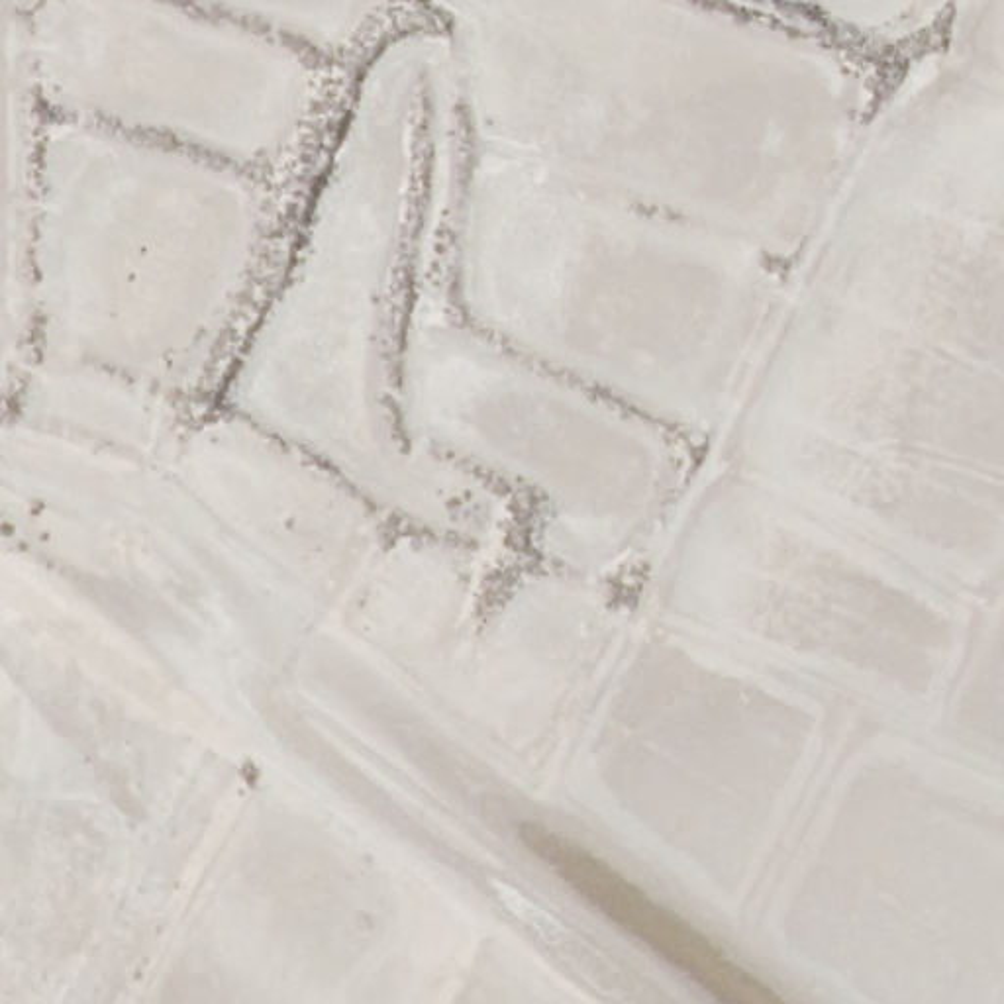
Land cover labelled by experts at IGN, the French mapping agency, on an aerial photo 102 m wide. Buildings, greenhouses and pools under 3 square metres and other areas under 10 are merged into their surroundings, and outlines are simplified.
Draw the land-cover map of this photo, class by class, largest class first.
<instances>
[{"label":"pervious surface","instance_id":"1","mask_svg":"<svg viewBox=\"0 0 1004 1004\"><path fill-rule=\"evenodd\" d=\"M455 16V35L404 39L388 47L373 75L365 67H353L349 75V94L361 98V110H345L333 122V137L345 141L337 153V173L322 192L314 235L302 251V267L294 271V286L271 310V322L255 341L251 361L243 365L231 388V404L259 412L286 435L310 439L322 455L341 463V471H349V478L361 482L373 498L392 502L400 514H412L416 522L435 529L447 526V498L471 490L475 478L431 459L435 439H447L451 447L475 455L478 463L502 475H522L526 482H533L545 494V506L557 514L545 522L541 533V577H522L514 600L498 608L486 624L475 616V600L482 592V577L498 565L506 549V498L494 502L475 553L435 545L416 549L408 537L396 541V549H384L380 529L369 522L361 502L345 498L326 471L306 467L302 455L290 451L278 455L267 439H259L235 420L204 424L208 392L220 384L227 361L243 341V329L255 318L251 306L235 302V294L243 286L263 188L231 173L196 165L180 153L141 149L133 141L106 137L94 126V110H110L133 126L176 129L180 137H196L235 157L267 149L275 180H286L302 176L298 145L306 133L298 129V118H310V102L322 98L326 78H341L345 71H310L286 47H267L259 35H247L239 27L196 24L184 12L157 0H0V408L8 392V365H16L20 377H31V392L24 400L20 420L0 424V1004H718L686 973L671 969L639 937L624 933L596 906H588L549 863L526 851L518 843L522 820H537L553 835L604 859L651 902L675 910L682 922H690L698 933L722 945L729 961L745 965L753 977L773 984L784 1004H1004V0H812L831 20L859 24L867 35H879L882 43L929 27L945 4H957L949 51L914 63L906 82L882 106V114L871 126H863V110L871 102L875 82L871 63H855L843 51H824L816 39H784L757 24H737L722 12H702L686 0H431ZM420 94L435 98V180L427 224L420 235V267H431L435 231L451 200L455 102H471L478 133V169L463 231V294L475 318L514 333L518 345H529L549 361L577 369L651 412L675 416L694 431L698 447L686 451L682 443H663V431L628 420L616 408L588 400L569 384L510 365L498 345L467 337L459 326L447 322V298L439 290L416 298L408 337V384L400 388L388 380L380 353L396 345V322L404 302L396 235L408 220V184L412 176H420V161L412 157ZM35 98L75 110L71 126H51L47 200H27L35 149L31 126L39 122ZM35 216H43V282H27L24 271L27 224ZM227 4L235 12H259L271 24L302 31L322 47H349L361 20L388 0H204Z\"/></svg>","mask_w":1004,"mask_h":1004},{"label":"brushwood","instance_id":"2","mask_svg":"<svg viewBox=\"0 0 1004 1004\"><path fill-rule=\"evenodd\" d=\"M184 12L196 24L239 27L247 35H259L267 47H286L310 71H345L341 78H326L322 98L310 102V118H298V129L306 133L298 145L302 176L286 180H275L267 149L235 157L196 137H180L176 129L133 126L110 110H94V126L106 137L133 141L141 149L180 153L196 165L231 173L263 188L243 286L235 294V302L251 306L255 318L243 329V341L227 361L220 384L208 392L204 424L235 420L259 439H267L278 455L290 451L302 455L306 467L326 471L345 498L361 502L369 522L380 529L384 549H396V541L408 537L416 549L435 545L475 553L494 502L506 498V549L498 565L482 577V592L475 600V616L486 624L498 608L514 600L522 577H541V533L545 522L557 514L545 506V494L533 482H526L522 475H502L478 463L475 455L451 447L447 439H435L431 459L475 478L471 490L447 498V526L435 529L416 522L412 514H400L392 502L373 498L361 482L349 478V471H341V463L322 455L310 439L286 435L259 412L231 404V388L243 365L251 361L255 341L271 322V310L294 286V271L302 267V251L314 235L322 192L337 173V153L345 141L333 137V122L345 110H361V98L349 94V75L353 67H365L373 75L388 47L404 39L455 35V16L431 0H388L361 20L349 47H322L302 31L271 24L259 12H235L227 4L204 0H157ZM702 12H722L737 24H757L784 39H816L824 51H843L855 63H871L875 82L871 102L863 110V126H871L882 114V106L906 82L914 63L949 51L957 4H945L929 27L882 43L879 35H867L859 24L831 20L812 0H686ZM435 98L420 94L412 157L420 161V176H412L408 184V220L396 235L404 302L396 322V345L380 353L388 380L400 388L408 384V337L416 298L439 290L447 298V322L459 326L467 337L498 345L510 365L569 384L588 400L616 408L628 420L663 431V443H682L686 451L698 447L694 431L675 416L651 412L577 369L549 361L529 345H518L514 333L475 318L463 294V231L478 169V133L471 102H455L451 200L435 231L431 267H420V235L427 224L435 180ZM39 122L31 126L35 149L27 200H47L51 126H71L75 110L35 98ZM43 216H35L27 224L24 271L27 282H43ZM31 392V377H20L16 365H8V392L0 408V424L20 420L24 400Z\"/></svg>","mask_w":1004,"mask_h":1004},{"label":"water","instance_id":"3","mask_svg":"<svg viewBox=\"0 0 1004 1004\"><path fill-rule=\"evenodd\" d=\"M518 843L526 851L549 863L588 906H596L624 933L639 937L671 969L686 973L718 1004H784L773 984L753 977L745 965L729 961L722 945L698 933L690 922H682L675 910L651 902L604 859L553 835L537 820H522Z\"/></svg>","mask_w":1004,"mask_h":1004}]
</instances>
